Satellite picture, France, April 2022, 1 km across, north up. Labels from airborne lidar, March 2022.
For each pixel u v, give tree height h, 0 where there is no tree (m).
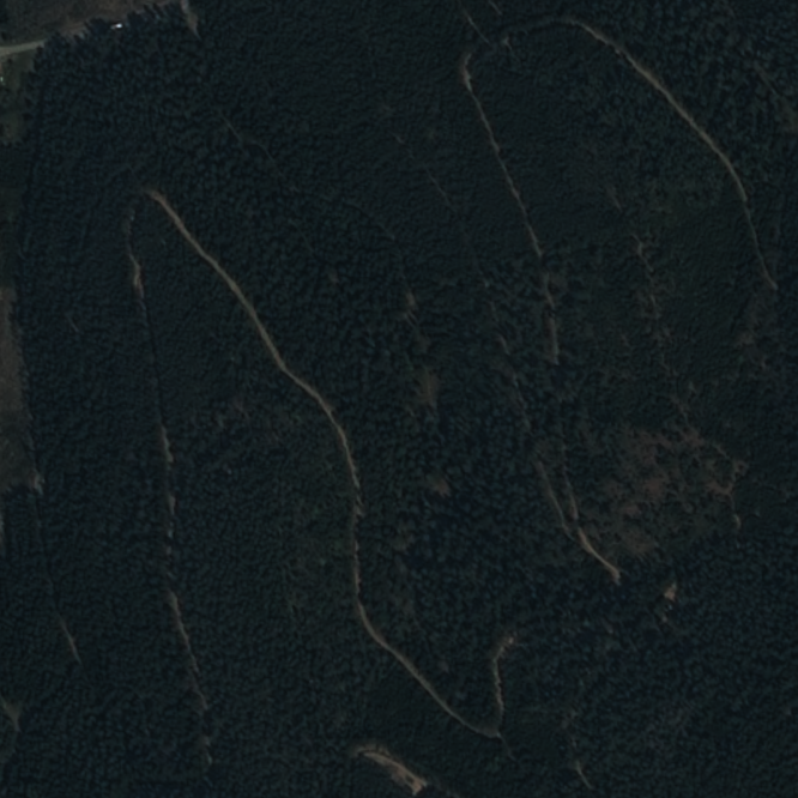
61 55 22
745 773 25
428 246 21
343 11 15
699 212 7
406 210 18
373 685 25
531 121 17
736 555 23
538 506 30
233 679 31
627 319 8
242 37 22
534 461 33
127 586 18
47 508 14
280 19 17
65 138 17
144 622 19
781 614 26
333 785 20
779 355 14
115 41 26
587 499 18
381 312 43
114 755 27
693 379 8
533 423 22
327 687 25
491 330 34
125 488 27
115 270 15
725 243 9
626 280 7
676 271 8
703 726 27
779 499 10
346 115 17
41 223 25
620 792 31
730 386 7
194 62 28
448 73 19
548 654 7
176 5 0
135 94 28
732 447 9
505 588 29
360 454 17
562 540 27
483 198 21
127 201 15
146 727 35
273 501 20
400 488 35
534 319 29
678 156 34
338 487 20
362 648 25
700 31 22
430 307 15
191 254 20
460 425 32
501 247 17
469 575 30
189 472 8
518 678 10
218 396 16
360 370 28
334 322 28
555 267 13
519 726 13
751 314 20
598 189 20
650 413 10
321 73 15
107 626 24
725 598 27
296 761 25
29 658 25
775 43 34
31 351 24
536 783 18
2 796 21
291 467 26
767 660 24
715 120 38
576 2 9
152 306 14
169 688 21
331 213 26
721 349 10
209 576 28
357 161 15
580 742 26
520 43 14
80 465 18
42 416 19
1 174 11
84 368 18
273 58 22
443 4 15
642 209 16
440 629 10
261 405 27
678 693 28
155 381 20
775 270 22
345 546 19
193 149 33
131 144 21
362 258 29
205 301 18
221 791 32
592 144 22
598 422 10
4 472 0
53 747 30
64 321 19
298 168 28
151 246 19
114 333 22
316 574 26
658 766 27
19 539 18
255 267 31
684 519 9
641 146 29
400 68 22
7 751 28
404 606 20
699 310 8
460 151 17
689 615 9
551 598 33
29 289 22
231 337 22
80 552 28
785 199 24
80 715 27
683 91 36
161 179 22
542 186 21
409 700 10
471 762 16
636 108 7
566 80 12
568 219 19
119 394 20
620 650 24
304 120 28
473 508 34
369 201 17
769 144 15
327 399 24
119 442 21
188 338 24
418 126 16
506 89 18
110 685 15
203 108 31
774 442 17
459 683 22
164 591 17
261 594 25
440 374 6
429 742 18
